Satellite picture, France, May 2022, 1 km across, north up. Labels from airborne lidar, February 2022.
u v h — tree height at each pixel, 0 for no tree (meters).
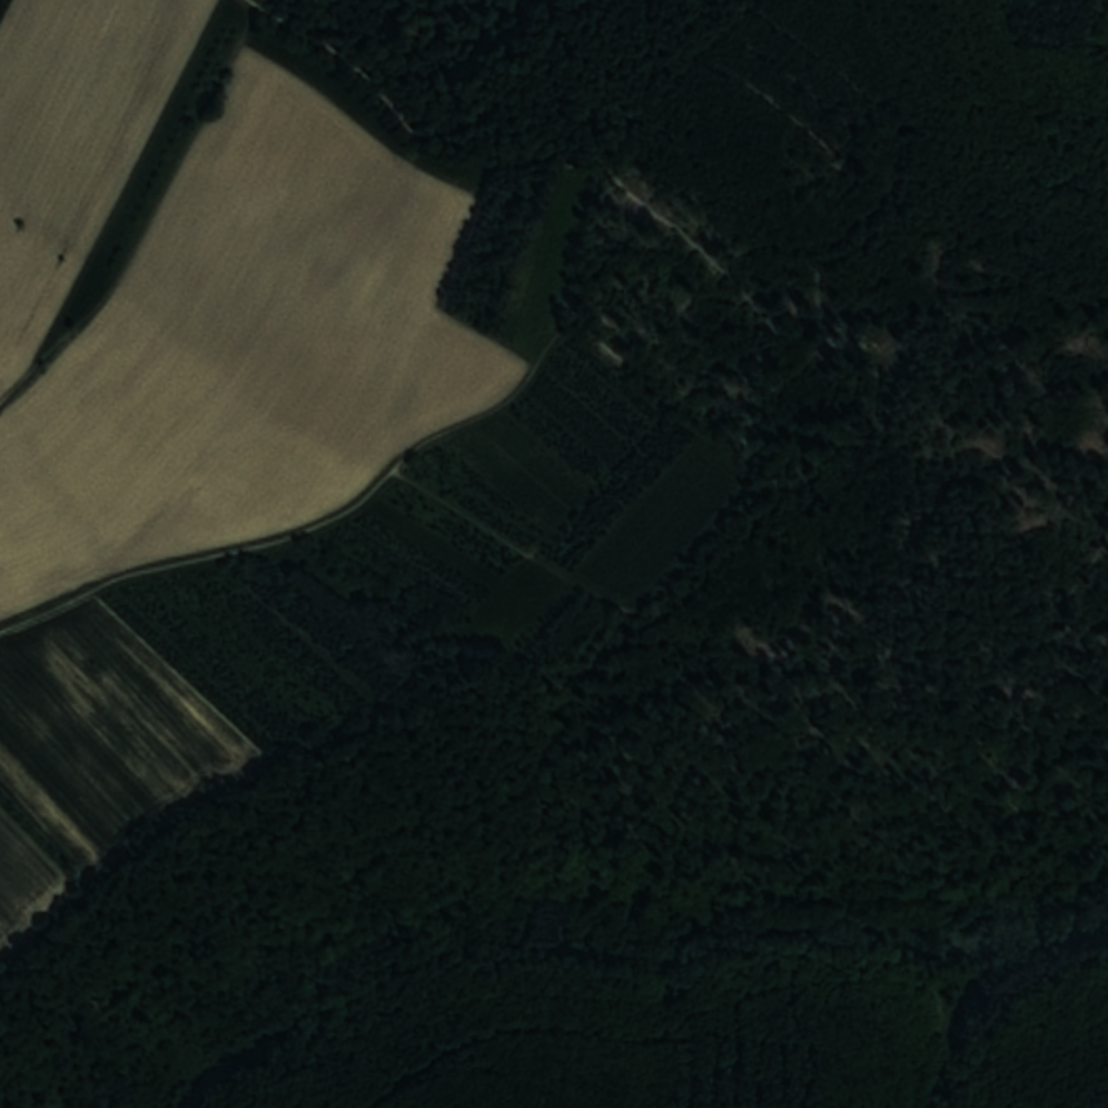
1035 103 25
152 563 0
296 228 0
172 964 35
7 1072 30
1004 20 23
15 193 0
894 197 19
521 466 0
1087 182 30
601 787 36
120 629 0
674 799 34
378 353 0
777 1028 20
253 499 0
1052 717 31
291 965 33
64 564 0
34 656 0
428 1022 17
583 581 0
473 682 31
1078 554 8
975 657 29
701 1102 16
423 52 10
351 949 33
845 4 16
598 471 7
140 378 0
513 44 29
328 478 0
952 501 27
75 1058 36
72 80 0
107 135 0
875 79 17
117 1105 22
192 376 0
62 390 0
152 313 0
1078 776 30
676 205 25
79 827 0
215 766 0
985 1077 26
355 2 27
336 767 32
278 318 0
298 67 0
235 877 33
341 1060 24
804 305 34
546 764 35
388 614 23
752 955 31
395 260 0
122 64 0
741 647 9
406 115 28
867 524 12
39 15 0
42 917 12
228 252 0
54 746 0
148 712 0
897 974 26
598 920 8
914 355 28
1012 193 32
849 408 14
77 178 0
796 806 33
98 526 0
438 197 0
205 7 0
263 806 29
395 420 0
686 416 13
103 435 0
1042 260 24
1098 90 23
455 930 24
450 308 11
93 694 0
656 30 31
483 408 0
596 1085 19
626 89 32
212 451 0
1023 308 9
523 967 27
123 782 0
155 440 0
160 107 0
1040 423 28
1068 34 22
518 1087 13
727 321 9
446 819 31
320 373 0
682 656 31
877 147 14
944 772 30
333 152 0
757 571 13
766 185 17
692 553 9
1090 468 28
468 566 0
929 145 22
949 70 19
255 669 0
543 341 0
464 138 27
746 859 34
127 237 0
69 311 0
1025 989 27
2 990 32
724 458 0
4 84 0
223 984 30
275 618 7
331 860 35
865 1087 19
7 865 0
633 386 13
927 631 29
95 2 0
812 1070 15
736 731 31
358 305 0
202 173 0
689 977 25
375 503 0
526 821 36
